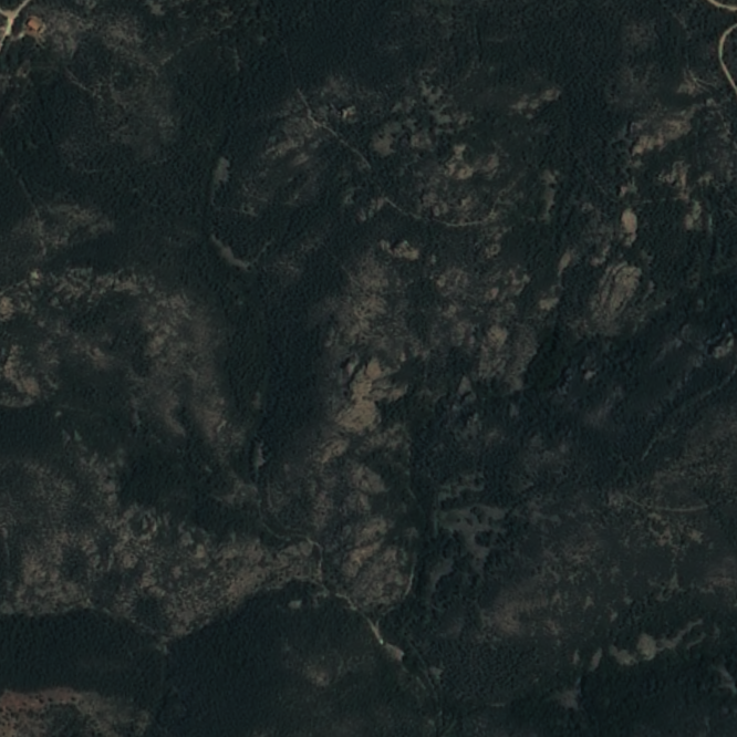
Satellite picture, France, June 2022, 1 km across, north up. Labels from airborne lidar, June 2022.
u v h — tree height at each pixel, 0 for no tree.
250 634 13
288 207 11
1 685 9
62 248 6
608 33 11
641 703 7
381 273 0
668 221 12
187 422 11
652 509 8
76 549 7
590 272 12
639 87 0
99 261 10
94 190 9
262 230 11
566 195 9
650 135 0
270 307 13
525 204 9
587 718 9
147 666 12
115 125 7
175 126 8
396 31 9
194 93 14
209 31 6
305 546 0
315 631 9
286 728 9
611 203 8
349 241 9
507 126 16
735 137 9
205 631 13
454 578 11
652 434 11
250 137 10
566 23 11
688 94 6
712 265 15
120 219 11
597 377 10
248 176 7
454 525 0
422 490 15
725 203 10
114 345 10
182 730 9
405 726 10
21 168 14
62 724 8
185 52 7
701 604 9
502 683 12
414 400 16
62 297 6
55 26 0
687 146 6
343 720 6
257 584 7
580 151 13
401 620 12
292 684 8
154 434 6
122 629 14
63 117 10
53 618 14
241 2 9
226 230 12
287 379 14
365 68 7
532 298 12
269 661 7
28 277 7
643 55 9
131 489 14
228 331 5
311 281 12
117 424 13
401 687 10
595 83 13
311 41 9
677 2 11
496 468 13
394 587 7
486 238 9
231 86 14
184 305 0
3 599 9
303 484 7
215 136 7
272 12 14
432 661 8
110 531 8
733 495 9
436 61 7
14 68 10
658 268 16
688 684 11
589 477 9
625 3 10
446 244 7
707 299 8
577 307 10
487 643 8
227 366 13
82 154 8
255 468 14
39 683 10
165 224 12
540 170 10
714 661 8
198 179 13
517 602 0
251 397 6
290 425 13
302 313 11
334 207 12
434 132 11
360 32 9
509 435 7
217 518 14
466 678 10
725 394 9
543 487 10
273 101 8
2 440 12
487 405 10
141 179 12
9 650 10
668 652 11
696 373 11
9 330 7
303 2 14
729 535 10
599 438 12
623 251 13
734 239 14
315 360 11
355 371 7
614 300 0
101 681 10
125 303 11
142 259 8
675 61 11
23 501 6
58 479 6
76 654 13
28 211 8
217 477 16
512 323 9
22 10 6
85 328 10
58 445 7
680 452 8
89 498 7
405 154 6
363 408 0
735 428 0
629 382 11
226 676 11
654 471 7
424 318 10
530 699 12
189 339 0
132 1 6
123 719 0
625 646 11
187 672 12
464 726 11
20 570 6
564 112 16
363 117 7
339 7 11
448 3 11
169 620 8
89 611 16
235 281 11
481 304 8
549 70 12
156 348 0
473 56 11
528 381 16
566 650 7
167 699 10
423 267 10
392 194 9
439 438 10
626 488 8
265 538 13
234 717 9
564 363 5
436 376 8
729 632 7
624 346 6
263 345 6
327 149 10
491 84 6
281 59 12
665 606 8
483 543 11
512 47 10
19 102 9
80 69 9
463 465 9
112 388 8
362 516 7
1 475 7
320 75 9
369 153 11
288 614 8
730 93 9
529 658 12
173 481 12
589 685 13
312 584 11
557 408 12
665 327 10
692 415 9
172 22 7
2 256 6
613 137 6
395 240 7
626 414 8
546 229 10
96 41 6
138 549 0
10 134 13
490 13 10
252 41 11
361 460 8
